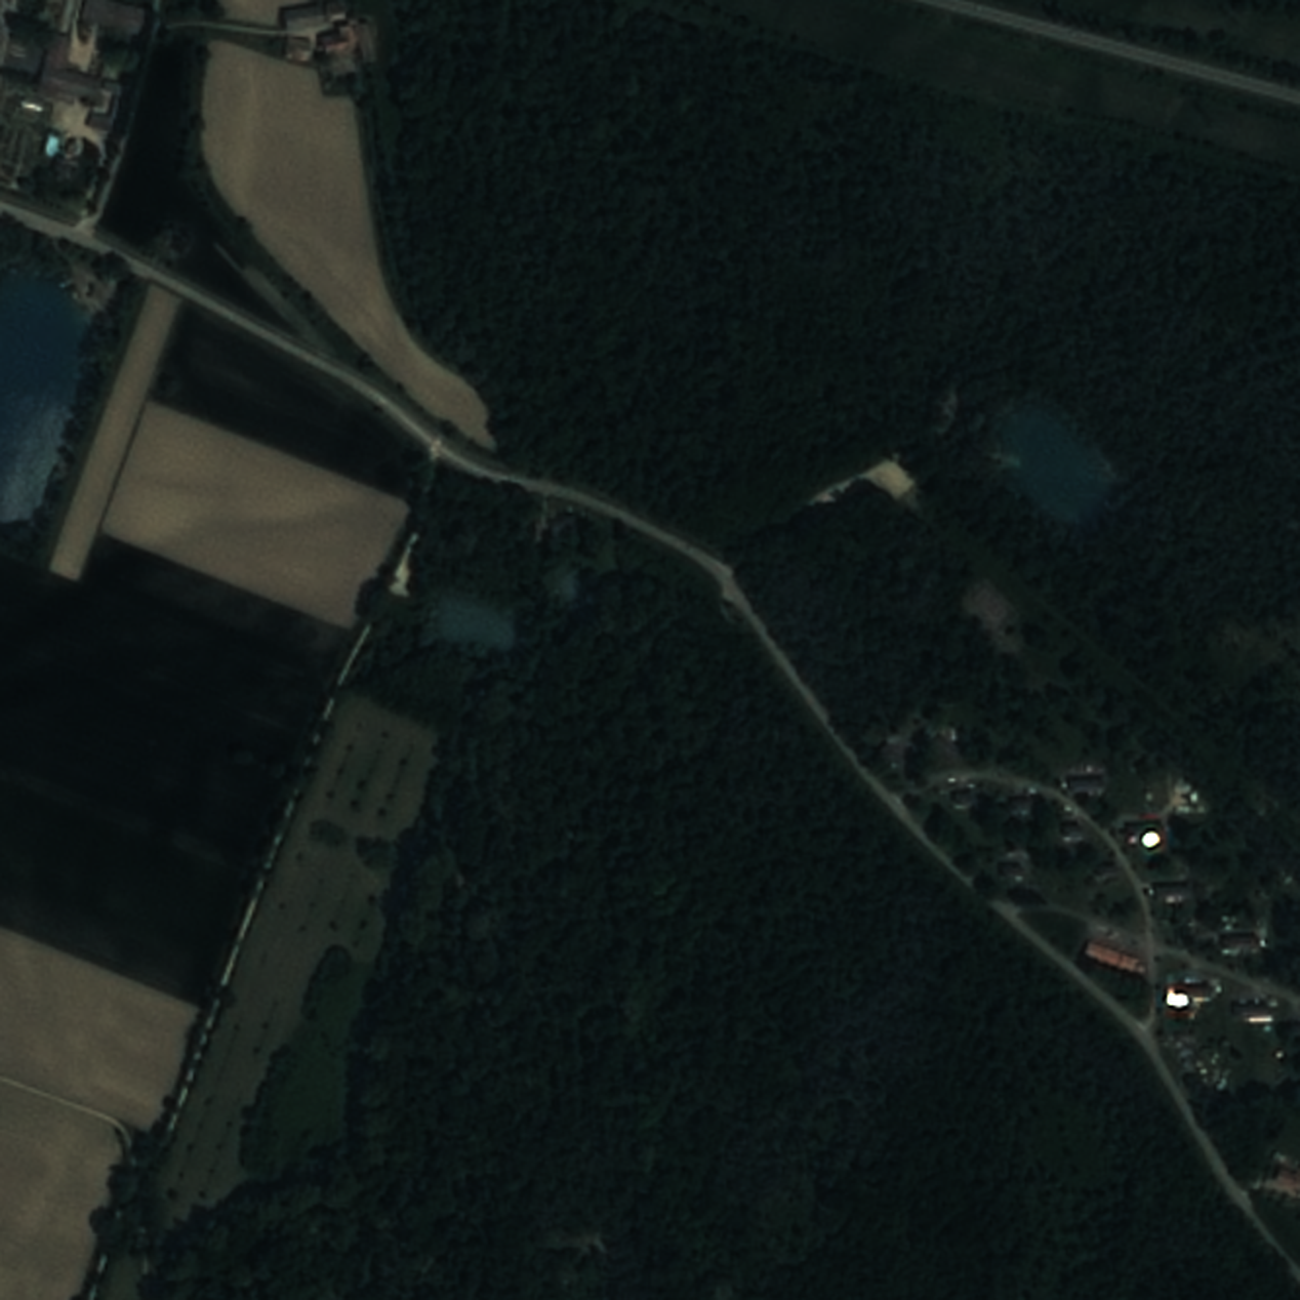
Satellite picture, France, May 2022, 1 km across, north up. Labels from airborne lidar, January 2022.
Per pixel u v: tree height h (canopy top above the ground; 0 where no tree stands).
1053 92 0
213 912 0
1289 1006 0
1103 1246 12
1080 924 0
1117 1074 17
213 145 0
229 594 0
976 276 19
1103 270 7
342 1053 0
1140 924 0
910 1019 19
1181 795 0
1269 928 0
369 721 0
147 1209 27
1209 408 19
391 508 0
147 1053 0
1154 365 18
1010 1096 17
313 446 0
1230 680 0
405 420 0
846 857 14
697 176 14
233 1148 0
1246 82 0
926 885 14
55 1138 0
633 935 18
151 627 0
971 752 16
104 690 0
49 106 0
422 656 20
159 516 0
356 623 0
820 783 17
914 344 17
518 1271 19
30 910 0
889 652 16
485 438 0
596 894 8
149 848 0
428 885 29
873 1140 16
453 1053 6
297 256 0
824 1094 15
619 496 17
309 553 0
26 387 0
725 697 9
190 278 0
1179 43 15
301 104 0
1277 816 0
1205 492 18
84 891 0
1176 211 20
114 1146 0
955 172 17
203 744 0
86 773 0
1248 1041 0
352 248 0
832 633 20
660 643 21
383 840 0
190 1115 0
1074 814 0
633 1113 22
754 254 13
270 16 0
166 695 0
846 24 0
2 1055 0
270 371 0
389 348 0
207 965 0
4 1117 0
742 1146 16
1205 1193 12
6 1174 0
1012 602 0
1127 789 0
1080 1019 14
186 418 0
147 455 0
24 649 0
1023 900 19
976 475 18
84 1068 0
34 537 21
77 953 0
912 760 14
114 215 0
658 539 0
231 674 0
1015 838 13
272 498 0
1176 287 20
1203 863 18
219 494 0
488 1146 7
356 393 0
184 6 9
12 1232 0
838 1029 11
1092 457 0
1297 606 20
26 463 0
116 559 0
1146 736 16
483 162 6
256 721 0
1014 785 0
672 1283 21
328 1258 23
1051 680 0
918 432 17
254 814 0
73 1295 0
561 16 16
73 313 0
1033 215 19
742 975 17
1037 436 0
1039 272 20
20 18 11
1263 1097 18
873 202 17
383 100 0
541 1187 16
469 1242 11
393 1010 23
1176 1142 13
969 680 13
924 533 18
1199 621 19
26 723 0
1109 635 31
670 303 16
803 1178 18
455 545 21
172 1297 25
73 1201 0
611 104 0
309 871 0
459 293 22
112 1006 0
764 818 18
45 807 0
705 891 16
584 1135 17
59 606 0
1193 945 14
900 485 0
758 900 13
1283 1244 0
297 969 0
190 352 0
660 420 18
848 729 17
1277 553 20
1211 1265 19
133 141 0
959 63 0
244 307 0
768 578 18
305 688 0
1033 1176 16
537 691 23
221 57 0
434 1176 21
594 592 31
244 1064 0
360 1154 23
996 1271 16
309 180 0
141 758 0
